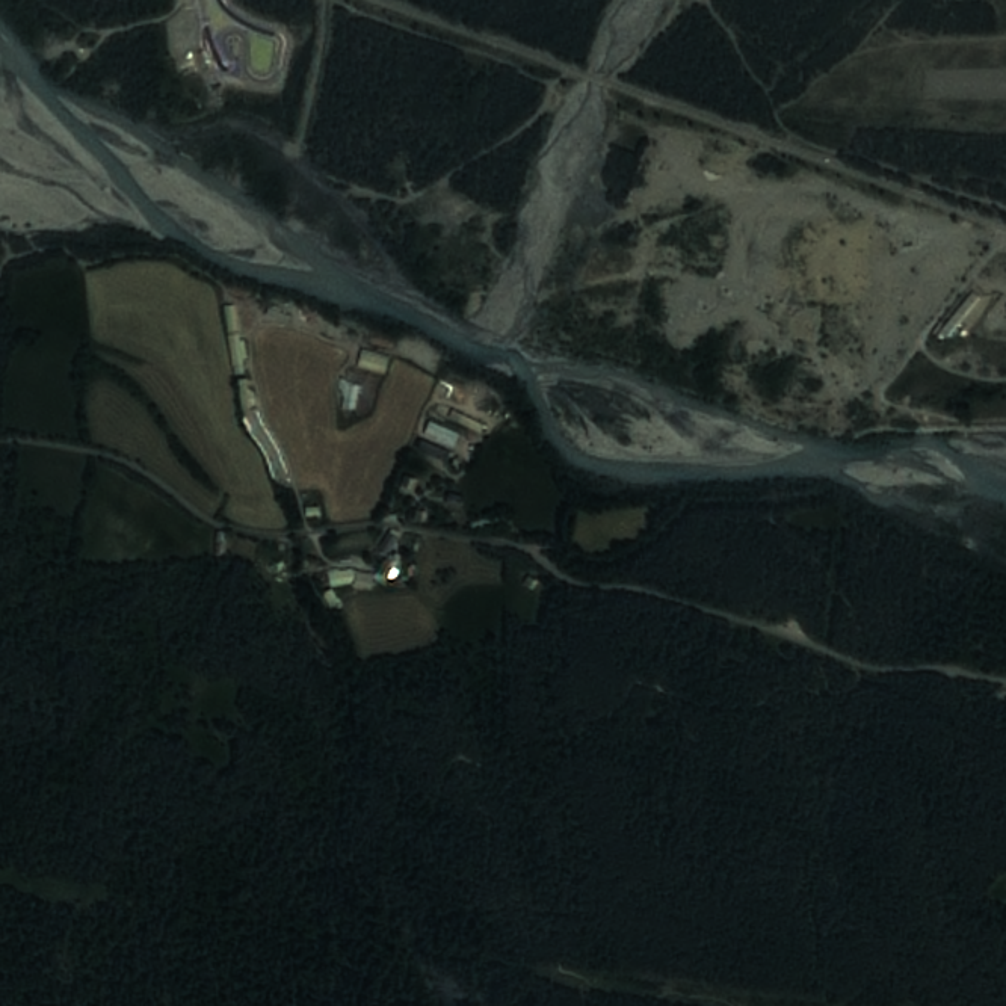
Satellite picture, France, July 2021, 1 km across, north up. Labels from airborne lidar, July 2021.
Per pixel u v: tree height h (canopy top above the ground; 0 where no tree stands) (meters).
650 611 20
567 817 26
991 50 0
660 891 12
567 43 13
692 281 0
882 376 0
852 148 8
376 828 17
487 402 0
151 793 19
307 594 21
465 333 0
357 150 8
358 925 8
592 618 18
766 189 0
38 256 9
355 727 25
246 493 0
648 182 0
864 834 20
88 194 0
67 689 16
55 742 14
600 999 19
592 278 0
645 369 11
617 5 0
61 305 0
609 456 0
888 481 0
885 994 15
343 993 17
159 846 17
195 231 0
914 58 0
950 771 18
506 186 8
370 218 8
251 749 20
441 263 0
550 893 19
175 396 0
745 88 11
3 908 19
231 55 0
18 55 0
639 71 10
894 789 15
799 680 17
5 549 15
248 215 0
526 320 0
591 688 16
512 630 10
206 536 0
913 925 15
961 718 12
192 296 0
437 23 0
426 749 12
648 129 0
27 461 0
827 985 16
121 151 0
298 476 0
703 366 9
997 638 9
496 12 8
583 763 19
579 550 16
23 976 18
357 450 0
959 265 0
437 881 21
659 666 14
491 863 13
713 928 16
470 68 7
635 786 20
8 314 9
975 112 0
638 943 17
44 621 7
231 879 8
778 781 17
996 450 0
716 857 20
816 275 0
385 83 11
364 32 8
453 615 0
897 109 0
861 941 14
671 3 0
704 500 9
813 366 0
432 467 0
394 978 13
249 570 12
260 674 16
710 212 0
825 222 0
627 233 10
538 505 0
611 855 14
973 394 16
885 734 16
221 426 0
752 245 0
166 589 9
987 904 21
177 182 0
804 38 8
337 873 24
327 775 14
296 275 0
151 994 16
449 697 14
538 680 16
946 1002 15
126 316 0
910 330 0
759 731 16
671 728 24
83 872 12
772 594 14
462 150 7
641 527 0
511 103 10
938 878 16
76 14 6
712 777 21
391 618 0
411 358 0
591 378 0
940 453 0
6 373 14
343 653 20
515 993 20
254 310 0
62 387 0
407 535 0
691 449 0
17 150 0
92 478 16
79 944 13
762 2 7
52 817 13
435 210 0
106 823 15
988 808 13
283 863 10
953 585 14
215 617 16
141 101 11
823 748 18
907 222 0
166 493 10
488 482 0
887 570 15
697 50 9
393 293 0
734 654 15
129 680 8
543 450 16
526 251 0
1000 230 0
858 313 0
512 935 12
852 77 0
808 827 12
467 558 0
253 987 21
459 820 19
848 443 10
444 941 21
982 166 8
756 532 14
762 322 0
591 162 0
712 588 16
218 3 0
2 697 8
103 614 7
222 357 0
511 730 16
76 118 0
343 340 0
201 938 22
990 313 0
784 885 12
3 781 17
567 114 0
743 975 16
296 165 0
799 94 7
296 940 18
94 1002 16
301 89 8
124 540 0
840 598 13
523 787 18
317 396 0
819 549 16
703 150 0
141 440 0
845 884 12
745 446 0
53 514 14
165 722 13
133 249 10
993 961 13
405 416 0
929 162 8
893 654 13
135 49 8
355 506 0
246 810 17
